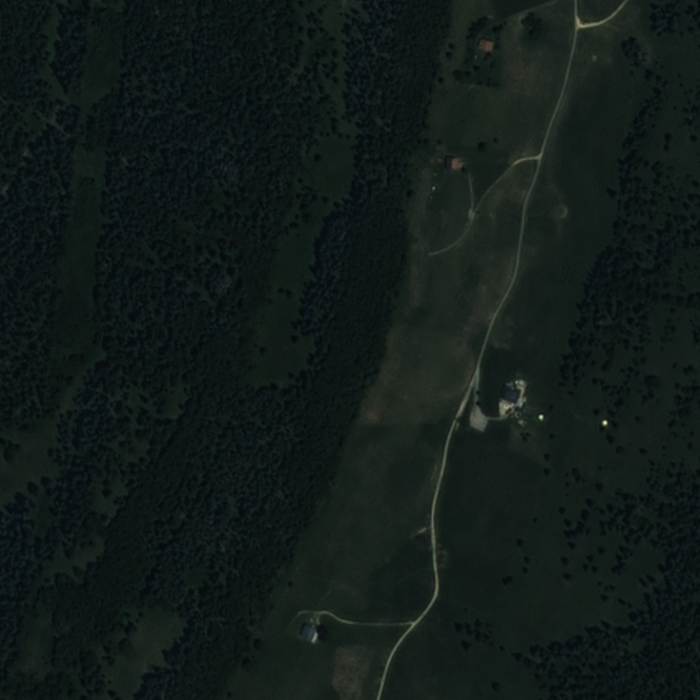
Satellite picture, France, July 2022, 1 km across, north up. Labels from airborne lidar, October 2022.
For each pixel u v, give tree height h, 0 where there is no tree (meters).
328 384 21
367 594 0
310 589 0
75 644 20
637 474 0
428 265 0
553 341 0
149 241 6
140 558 24
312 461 19
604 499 0
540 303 0
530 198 0
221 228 18
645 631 17
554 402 0
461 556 0
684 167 0
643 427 0
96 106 10
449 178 0
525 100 0
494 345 0
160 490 21
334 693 0
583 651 23
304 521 18
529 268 0
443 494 0
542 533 0
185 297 27
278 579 12
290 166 25
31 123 0
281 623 0
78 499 17
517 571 0
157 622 0
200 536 21
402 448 0
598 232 0
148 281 22
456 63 0
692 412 9
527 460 0
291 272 0
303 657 0
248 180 16
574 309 0
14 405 17
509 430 0
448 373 0
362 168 14
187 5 14
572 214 0
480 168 0
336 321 14
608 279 25
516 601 0
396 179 19
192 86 22
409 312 0
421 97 26
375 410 0
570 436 0
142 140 31
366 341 21
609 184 0
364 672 0
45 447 0
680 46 0
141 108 27
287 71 6
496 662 0
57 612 12
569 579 21
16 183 13
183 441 19
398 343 0
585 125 0
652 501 13
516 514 0
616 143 0
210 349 22
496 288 0
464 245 0
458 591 0
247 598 21
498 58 0
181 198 29
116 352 15
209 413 27
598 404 0
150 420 26
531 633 0
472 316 0
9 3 20
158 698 21
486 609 0
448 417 0
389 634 0
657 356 0
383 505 0
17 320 18
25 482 0
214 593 17
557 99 0
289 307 0
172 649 0
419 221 0
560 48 0
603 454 0
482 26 11
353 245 15
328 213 0
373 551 0
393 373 0
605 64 0
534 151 0
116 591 20
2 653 23
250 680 0
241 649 18
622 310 16
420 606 0
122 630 12
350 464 0
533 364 0
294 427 8
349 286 21
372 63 13
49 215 21
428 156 0
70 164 23
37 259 22
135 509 20
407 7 17
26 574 27
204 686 21
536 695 0
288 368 0
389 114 13
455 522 0
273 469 17
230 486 27
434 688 0
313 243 0
